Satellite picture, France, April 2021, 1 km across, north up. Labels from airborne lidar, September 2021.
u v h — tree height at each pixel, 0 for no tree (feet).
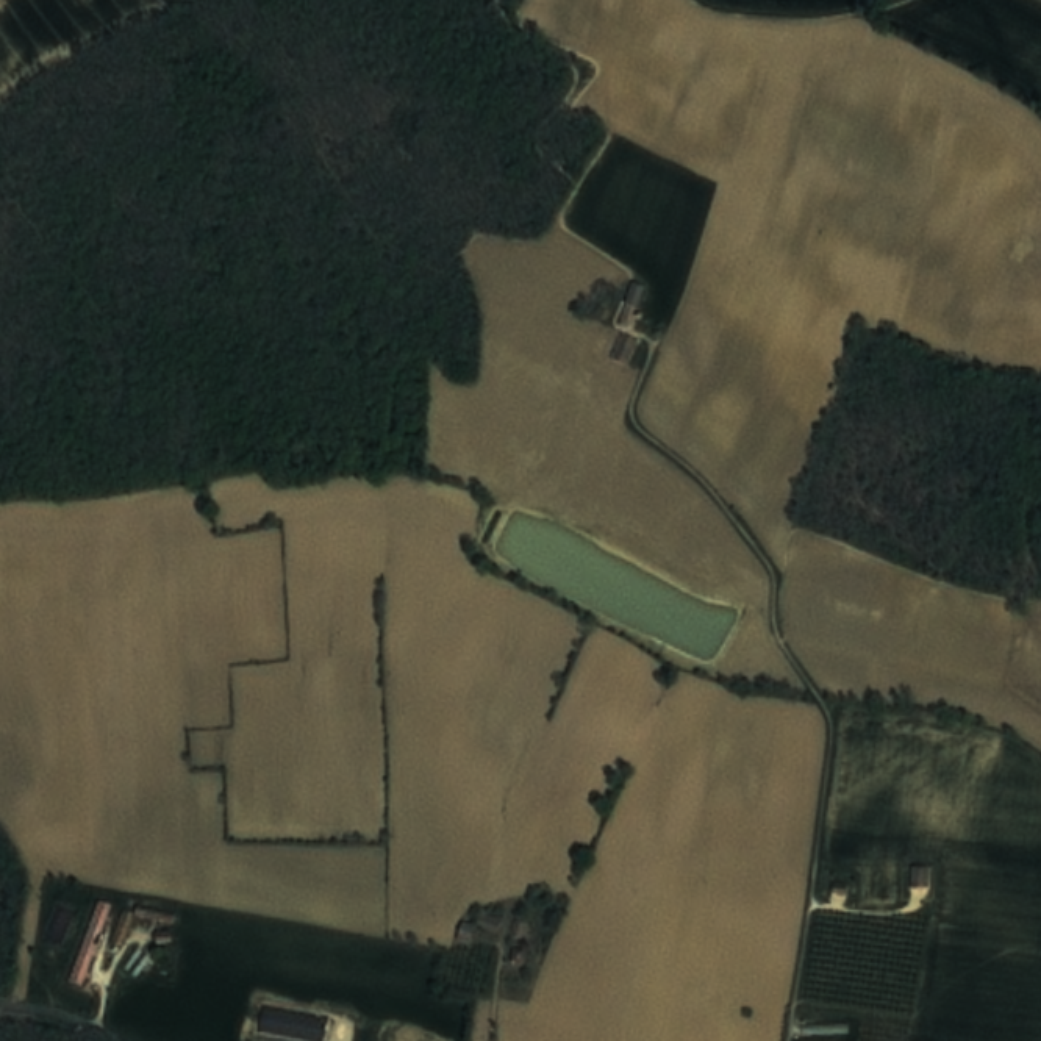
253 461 52
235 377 66
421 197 56
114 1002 0
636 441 0
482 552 0
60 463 73
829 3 0
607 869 0
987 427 71
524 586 52
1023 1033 0
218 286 58
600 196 0
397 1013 0
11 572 0
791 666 0
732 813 0
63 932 0
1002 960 0
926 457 37
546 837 0
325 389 71
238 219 76
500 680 0
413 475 53
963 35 0
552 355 0
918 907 0
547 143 67
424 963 0
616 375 0
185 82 53
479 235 44
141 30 64
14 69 0
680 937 0
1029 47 0
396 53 63
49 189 63
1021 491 70
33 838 0
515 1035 0
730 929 0
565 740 0
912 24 0
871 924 17
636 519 0
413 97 47
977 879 0
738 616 0
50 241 68
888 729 0
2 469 75
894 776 0
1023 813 0
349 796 0
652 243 0
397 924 0
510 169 60
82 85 59
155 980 0
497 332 0
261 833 0
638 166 0
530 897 33
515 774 0
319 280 61
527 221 51
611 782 56
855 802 0
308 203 67
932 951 0
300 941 0
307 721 0
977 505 66
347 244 72
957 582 50
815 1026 0
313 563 0
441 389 0
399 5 73
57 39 0
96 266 54
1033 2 0
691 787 0
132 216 57
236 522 0
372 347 77
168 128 59
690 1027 0
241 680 0
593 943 0
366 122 54
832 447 45
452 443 0
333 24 73
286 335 71
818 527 68
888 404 59
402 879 0
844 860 0
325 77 59
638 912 0
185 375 76
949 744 0
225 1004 0
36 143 60
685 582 0
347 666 0
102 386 68
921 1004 0
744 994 0
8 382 68
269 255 71
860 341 57
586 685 0
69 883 20
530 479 0
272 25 60
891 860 0
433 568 0
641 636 0
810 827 0
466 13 67
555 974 0
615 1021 0
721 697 0
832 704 31
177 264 63
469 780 0
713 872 0
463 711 0
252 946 0
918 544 39
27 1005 0
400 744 0
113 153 69
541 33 57
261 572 0
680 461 0
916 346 60
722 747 0
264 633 0
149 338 68
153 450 68
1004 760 0
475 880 0
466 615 0
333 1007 0
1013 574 47
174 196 63
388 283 67
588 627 52
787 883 0
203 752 0
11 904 66
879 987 20
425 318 63
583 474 0
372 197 63
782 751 0
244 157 58
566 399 0
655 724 0
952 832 0
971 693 0
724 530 0
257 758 0
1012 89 37
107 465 75
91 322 58
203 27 48
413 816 0
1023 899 0
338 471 64
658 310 0
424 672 0
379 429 75
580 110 0
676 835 0
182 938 0
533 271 0
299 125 55
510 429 0
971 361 41
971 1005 0
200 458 57
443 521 0
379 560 0
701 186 0
